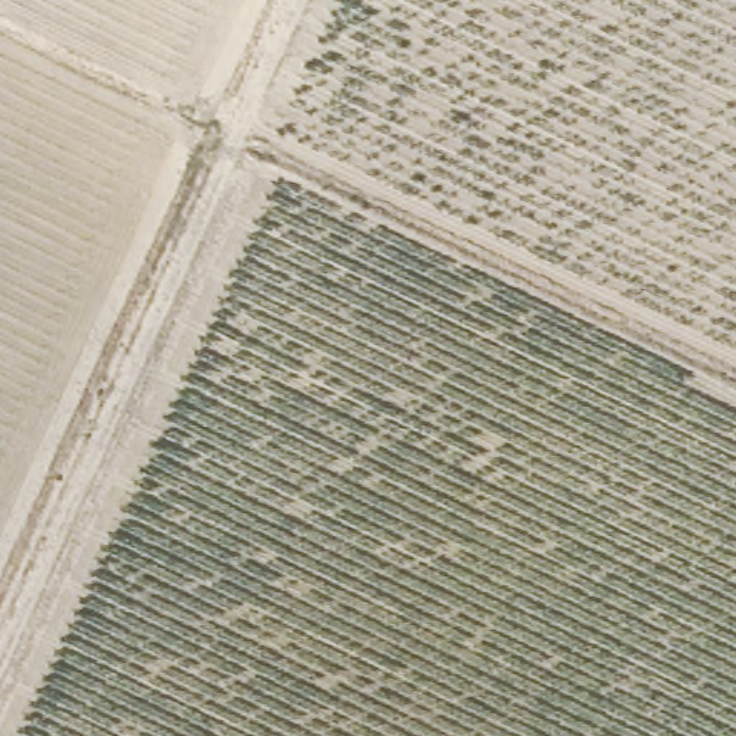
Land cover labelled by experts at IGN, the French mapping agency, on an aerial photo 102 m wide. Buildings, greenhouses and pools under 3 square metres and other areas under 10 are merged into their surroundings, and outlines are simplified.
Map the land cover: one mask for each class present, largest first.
<instances>
[{"label":"vineyard","instance_id":"1","mask_svg":"<svg viewBox=\"0 0 736 736\"><path fill-rule=\"evenodd\" d=\"M339 6V0H0V29L12 32L14 37L37 49L52 52L55 58L78 69L109 75L115 83H124L135 92H147L152 101V121L164 124L173 132V144H184L187 150H193L201 141L204 129H190L178 118V106L193 104L196 118L221 121L227 147H247L279 152L285 147V135H293V129L305 132L308 124L322 121L316 115L302 112L290 101L293 89L302 81V72L308 69L305 63L322 55L319 35H325L331 12ZM267 210L256 221L244 256L230 270V285L219 299V311L207 325V334L201 336L196 362L184 374V388L178 391V400L170 405L167 428L158 440H152L155 454L141 469L138 492L124 506V523L109 535V543L98 558V569L92 572V584L81 598V610L69 624V633L60 638L55 664L43 676V687L37 690V699L29 704L26 725L17 730V736H736V405L725 403V400H719V397H713V394H707V391H702L687 382V368L624 336H615L592 322H584L575 313L561 311L520 288H512L477 267L449 270L451 256H443L414 239H405L397 230H362V216L357 213L336 219L334 201L311 190H302L293 181H273Z\"/></svg>","mask_w":736,"mask_h":736},{"label":"herbaceous vegetation","instance_id":"2","mask_svg":"<svg viewBox=\"0 0 736 736\"><path fill-rule=\"evenodd\" d=\"M322 55L305 63L308 69L302 72V81L293 89L290 101L302 112L316 115L322 121L308 124L305 132L293 129V135H285V147L279 152L247 147V152L256 161L290 170L359 204L357 213L362 216V230H397L405 239H414L443 256H451L449 270L477 267L512 288H520L561 311L575 313L584 322H592L615 336H624L687 368V382L702 391L704 385H707V380H710V377H716V380H722V382H727V385H733V388H736V0H339V6L331 12L325 35H319Z\"/></svg>","mask_w":736,"mask_h":736},{"label":"plowed land","instance_id":"3","mask_svg":"<svg viewBox=\"0 0 736 736\"><path fill-rule=\"evenodd\" d=\"M152 101L147 92H135L124 83H115L109 75L78 69L55 58L52 52L37 49L14 37L12 32L0 29V736H17V730L26 725L29 704L37 699V690L43 687V676L55 664L60 638L69 633V624L81 610V598L92 584V572L98 569V558L109 543V535L124 523V506L138 492L141 469L155 454L152 440H158L167 428L170 405L178 400V391L184 388V374L196 362L201 336L207 334V325L219 311V299L230 285V270L244 256L256 221L267 210L273 181H293L302 190H311L334 201L336 219L357 213L359 204L290 170L256 161L247 152V147H227L221 121L196 118L193 104L178 106V118L190 129H204L201 141L193 150H187L184 144H173V132L164 124L152 121ZM702 391H707V394H713V397H719V400H725V403L736 405V388H733V385H727V382H722V380H716V377H710V380H707V385H704Z\"/></svg>","mask_w":736,"mask_h":736}]
</instances>
